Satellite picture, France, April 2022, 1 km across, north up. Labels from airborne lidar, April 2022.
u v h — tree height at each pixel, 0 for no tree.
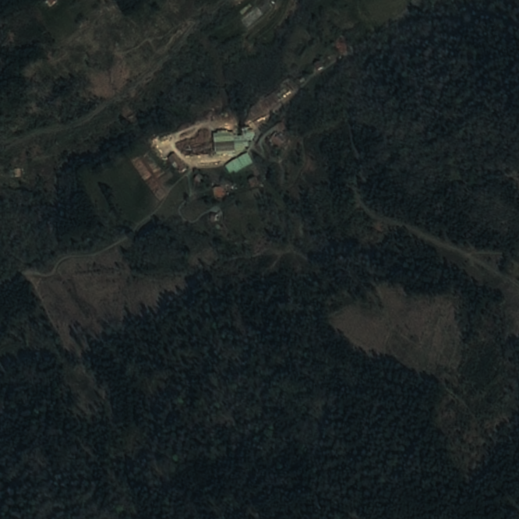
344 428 40
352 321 0
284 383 19
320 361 17
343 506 23
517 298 0
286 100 0
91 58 27
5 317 11
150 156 0
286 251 0
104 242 17
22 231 12
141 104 8
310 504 24
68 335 0
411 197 22
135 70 0
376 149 22
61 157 6
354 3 0
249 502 19
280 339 30
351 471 35
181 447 34
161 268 7
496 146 24
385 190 15
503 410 8
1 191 8
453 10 11
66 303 0
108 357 34
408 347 0
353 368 18
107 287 0
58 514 20
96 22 0
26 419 18
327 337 23
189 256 24
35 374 29
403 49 22
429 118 18
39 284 0
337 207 12
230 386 17
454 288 30
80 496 27
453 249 0
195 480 14
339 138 7
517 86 10
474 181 19
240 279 7
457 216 24
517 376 23
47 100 26
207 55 13
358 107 21
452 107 22
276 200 10
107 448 18
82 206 30
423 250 30
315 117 13
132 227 12
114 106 9
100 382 17
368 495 38
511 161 22
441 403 10
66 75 0
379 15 0
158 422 11
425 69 10
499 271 0
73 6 12
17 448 32
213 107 0
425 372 0
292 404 23
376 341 0
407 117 21
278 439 21
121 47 0
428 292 24
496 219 20
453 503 27
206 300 31
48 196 10
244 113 16
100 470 24
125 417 34
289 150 0
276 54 18
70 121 19
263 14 0
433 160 21
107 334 26
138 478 29
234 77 20
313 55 0
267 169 8
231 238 9
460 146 25
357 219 15
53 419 19
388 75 18
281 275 8
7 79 17
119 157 19
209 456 20
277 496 22
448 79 29
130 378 32
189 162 0
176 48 0
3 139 22
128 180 0
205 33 10
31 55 23
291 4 0
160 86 7
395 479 31
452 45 8
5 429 22
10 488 11
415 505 27
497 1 17
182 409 32
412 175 13
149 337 30
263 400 23
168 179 0
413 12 19
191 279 0
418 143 23
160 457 17
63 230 29
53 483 26
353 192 14
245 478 23
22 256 14
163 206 0
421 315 0
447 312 0
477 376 6
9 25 6
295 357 21
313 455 19
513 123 22
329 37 0
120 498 26
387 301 0
